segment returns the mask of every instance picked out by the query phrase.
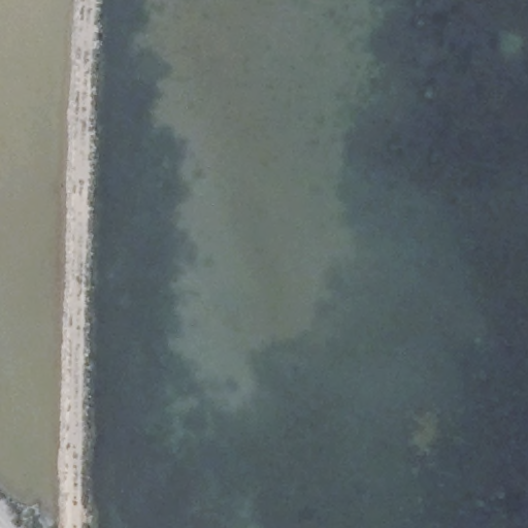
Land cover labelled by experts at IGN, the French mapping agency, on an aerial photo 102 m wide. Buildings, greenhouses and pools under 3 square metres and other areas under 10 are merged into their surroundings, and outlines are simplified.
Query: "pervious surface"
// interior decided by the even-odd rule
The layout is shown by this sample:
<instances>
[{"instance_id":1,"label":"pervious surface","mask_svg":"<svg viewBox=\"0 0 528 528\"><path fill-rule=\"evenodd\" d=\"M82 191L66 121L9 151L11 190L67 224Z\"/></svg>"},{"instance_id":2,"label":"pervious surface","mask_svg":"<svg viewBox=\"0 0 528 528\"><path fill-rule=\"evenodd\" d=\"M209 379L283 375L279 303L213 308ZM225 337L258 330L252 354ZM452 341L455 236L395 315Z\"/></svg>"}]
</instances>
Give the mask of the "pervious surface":
<instances>
[{"instance_id":1,"label":"pervious surface","mask_svg":"<svg viewBox=\"0 0 528 528\"><path fill-rule=\"evenodd\" d=\"M95 151L91 78L95 50L99 45L99 0L74 0L70 41L70 91L66 111L66 287L62 314L62 388L58 450L60 528L83 528L91 520L91 516L83 507L83 402L87 394L85 359L89 355L85 311L91 254L89 194Z\"/></svg>"},{"instance_id":2,"label":"pervious surface","mask_svg":"<svg viewBox=\"0 0 528 528\"><path fill-rule=\"evenodd\" d=\"M12 514L8 512L8 505L0 499L0 528L17 528L12 522Z\"/></svg>"}]
</instances>

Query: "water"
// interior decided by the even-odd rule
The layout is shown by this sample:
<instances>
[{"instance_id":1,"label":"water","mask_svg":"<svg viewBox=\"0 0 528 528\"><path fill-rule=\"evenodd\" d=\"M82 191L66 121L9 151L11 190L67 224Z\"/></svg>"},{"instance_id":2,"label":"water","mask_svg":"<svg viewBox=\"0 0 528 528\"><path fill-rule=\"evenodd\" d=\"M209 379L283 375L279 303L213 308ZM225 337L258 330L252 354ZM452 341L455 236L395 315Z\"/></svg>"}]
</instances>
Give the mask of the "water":
<instances>
[{"instance_id":1,"label":"water","mask_svg":"<svg viewBox=\"0 0 528 528\"><path fill-rule=\"evenodd\" d=\"M85 359L87 394L83 402L83 507L91 516L91 520L83 528L528 528L528 0L99 0L99 45L95 50L91 78L95 151L89 194L91 254L85 311L89 355Z\"/></svg>"},{"instance_id":2,"label":"water","mask_svg":"<svg viewBox=\"0 0 528 528\"><path fill-rule=\"evenodd\" d=\"M35 512L43 528L60 528L58 450L62 388L62 314L66 287L66 111L70 91L70 41L74 0L0 0L0 481L10 493L14 493L27 503L23 512Z\"/></svg>"}]
</instances>

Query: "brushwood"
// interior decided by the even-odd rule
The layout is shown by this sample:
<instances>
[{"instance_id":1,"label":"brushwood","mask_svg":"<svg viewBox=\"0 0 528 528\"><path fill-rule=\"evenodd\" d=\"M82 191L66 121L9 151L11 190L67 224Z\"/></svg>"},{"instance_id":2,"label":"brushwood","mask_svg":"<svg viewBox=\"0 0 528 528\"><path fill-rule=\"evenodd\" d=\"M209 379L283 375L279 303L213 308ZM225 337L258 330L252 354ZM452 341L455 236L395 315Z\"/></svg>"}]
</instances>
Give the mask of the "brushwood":
<instances>
[{"instance_id":1,"label":"brushwood","mask_svg":"<svg viewBox=\"0 0 528 528\"><path fill-rule=\"evenodd\" d=\"M12 522L17 528L43 528L35 512L23 512L27 503L14 493L10 493L0 481L0 499L8 505L8 512L12 514Z\"/></svg>"}]
</instances>

